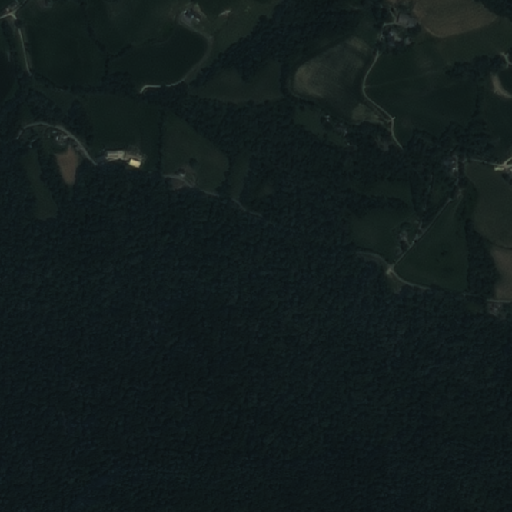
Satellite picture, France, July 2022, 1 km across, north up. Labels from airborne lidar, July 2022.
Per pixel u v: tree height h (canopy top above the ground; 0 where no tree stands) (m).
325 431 19
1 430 26
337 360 28
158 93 18
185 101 7
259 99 0
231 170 8
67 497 20
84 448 27
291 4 23
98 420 34
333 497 24
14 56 16
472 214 0
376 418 14
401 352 19
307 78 0
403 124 0
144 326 24
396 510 13
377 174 16
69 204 21
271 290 29
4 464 30
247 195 23
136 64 0
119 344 23
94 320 22
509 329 7
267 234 16
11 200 10
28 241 25
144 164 0
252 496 29
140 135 0
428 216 7
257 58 19
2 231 22
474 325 28
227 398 18
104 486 17
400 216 0
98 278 14
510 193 0
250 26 0
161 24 0
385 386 12
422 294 20
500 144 0
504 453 18
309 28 21
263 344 27
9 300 25
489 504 24
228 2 0
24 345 23
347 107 0
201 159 0
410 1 0
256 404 11
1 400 27
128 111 0
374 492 25
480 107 9
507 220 0
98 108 0
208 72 15
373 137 18
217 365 31
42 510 24
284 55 14
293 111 19
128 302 32
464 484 16
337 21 16
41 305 28
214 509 19
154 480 26
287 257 22
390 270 0
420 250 0
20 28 13
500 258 0
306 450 10
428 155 9
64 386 27
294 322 29
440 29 0
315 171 24
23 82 22
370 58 0
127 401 34
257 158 22
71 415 27
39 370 31
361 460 30
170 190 8
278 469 29
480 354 29
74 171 0
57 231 21
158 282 22
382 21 15
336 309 27
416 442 28
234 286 25
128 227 31
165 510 24
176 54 0
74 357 27
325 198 26
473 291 12
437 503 13
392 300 31
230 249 27
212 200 9
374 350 29
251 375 15
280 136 30
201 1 0
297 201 17
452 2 0
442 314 19
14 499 27
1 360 22
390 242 0
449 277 0
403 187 0
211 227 30
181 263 15
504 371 29
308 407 27
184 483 24
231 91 0
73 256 24
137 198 15
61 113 22
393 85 0
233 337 22
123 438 29
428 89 0
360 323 40
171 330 28
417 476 19
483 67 31
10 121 23
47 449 33
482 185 0
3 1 0
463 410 14
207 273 25
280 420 24
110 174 23
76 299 18
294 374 32
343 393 27
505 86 0
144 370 25
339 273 23
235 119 30
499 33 0
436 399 13
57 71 0
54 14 0
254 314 30
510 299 0
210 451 17
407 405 12
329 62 0
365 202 19
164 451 25
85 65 0
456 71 13
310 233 29
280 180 8
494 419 27
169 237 24
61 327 20
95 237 16
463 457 21
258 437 24
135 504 20
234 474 20
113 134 0
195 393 28
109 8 0
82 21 0
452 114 0
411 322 16
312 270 23
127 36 0
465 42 0
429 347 26
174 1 0
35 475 28
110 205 24
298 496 32
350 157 24
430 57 0
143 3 0
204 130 23
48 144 0
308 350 13
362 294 30
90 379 23
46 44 0
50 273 26
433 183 6
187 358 30
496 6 25
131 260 27
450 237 0
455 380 13
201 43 0
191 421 27
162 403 23
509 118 0
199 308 34
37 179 0
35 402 15
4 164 30
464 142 22
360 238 0
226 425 15
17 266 12
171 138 0
